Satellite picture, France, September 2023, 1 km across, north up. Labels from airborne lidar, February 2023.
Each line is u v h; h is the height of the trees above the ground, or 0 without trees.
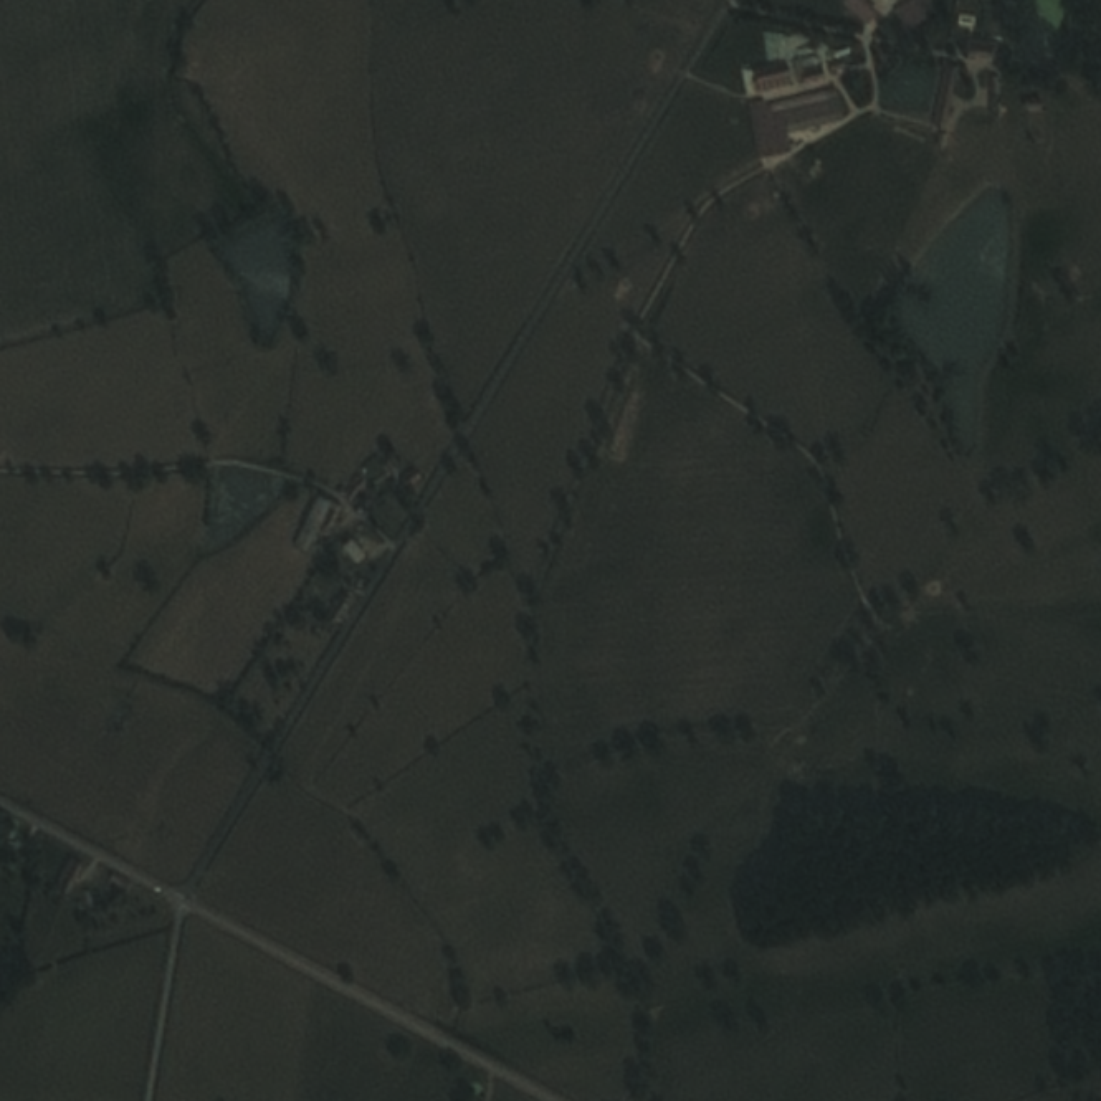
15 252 0
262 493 0
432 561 0
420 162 0
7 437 0
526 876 0
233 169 14
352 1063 0
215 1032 0
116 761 0
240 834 0
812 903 25
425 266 0
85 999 0
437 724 0
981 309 0
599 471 0
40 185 0
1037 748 16
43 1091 0
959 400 0
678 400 0
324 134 0
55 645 0
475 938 0
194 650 0
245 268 0
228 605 0
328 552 14
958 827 26
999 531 0
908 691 0
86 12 0
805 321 0
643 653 0
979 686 0
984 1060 0
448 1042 0
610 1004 0
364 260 0
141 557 0
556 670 0
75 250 0
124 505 0
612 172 0
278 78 0
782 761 0
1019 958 0
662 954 11
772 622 0
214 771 0
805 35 21
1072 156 0
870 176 0
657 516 0
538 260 0
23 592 0
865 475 0
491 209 0
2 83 0
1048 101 0
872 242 0
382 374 0
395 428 0
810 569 0
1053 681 0
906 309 0
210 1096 0
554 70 0
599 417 15
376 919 0
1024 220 0
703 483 0
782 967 0
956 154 0
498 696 13
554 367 0
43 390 0
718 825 0
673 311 0
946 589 0
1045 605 0
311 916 0
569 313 0
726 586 0
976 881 21
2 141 0
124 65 0
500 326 0
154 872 0
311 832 0
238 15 0
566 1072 0
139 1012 0
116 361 0
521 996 0
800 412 0
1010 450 0
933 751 0
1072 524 0
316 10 0
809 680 0
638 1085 18
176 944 0
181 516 0
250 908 0
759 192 0
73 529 0
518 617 0
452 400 19
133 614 0
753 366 0
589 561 0
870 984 0
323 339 0
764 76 0
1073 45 24
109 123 0
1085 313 0
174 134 0
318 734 0
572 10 0
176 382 0
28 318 0
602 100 0
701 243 0
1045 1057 0
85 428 0
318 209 0
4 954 8
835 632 0
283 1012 0
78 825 0
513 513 0
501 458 0
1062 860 23
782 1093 0
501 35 0
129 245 0
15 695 0
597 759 13
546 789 16
